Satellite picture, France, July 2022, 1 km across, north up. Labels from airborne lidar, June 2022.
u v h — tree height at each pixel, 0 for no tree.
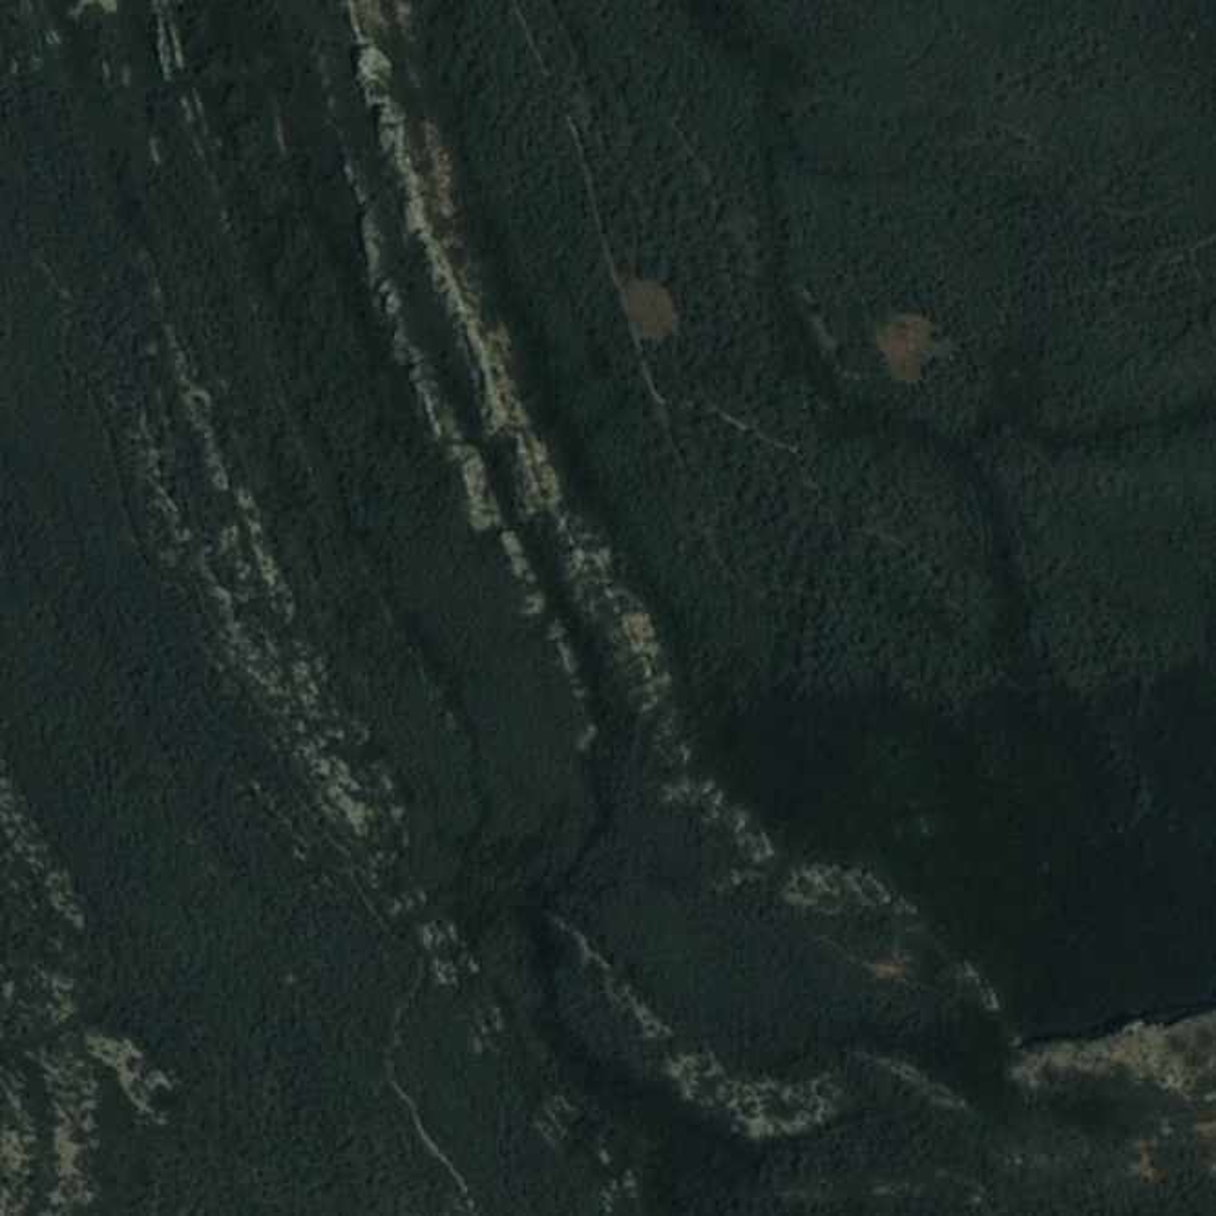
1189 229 11
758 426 7
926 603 11
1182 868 8
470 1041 10
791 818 9
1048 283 13
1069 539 10
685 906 11
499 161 12
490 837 13
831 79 9
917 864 8
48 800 11
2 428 12
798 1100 0
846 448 16
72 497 9
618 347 11
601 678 10
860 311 14
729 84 11
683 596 12
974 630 8
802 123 10
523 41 9
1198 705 7
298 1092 9
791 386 8
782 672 13
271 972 9
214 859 12
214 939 8
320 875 7
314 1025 12
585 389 11
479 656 12
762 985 11
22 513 9
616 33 10
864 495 10
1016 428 7
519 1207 8
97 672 11
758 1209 9
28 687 12
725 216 15
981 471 7
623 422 11
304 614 11
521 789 11
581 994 13
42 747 12
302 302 13
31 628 12
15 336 9
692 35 9
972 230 9
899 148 9
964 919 8
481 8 16
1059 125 8
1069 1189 8
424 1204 9
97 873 11
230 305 14
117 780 16
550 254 10
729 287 11
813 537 16
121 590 8
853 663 17
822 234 9
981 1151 7
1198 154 7
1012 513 8
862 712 9
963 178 11
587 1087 9
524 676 8
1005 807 8
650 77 12
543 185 12
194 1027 8
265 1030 12
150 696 12
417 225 0
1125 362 9
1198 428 10
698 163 13
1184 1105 0
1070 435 8
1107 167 8
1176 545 13
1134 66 7
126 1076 0
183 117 12
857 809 7
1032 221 9
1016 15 9
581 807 12
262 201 17
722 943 7
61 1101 0
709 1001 12
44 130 8
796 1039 10
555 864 15
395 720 10
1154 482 6
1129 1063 0
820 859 6
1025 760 7
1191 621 11
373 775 8
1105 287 11
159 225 10
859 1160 6
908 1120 7
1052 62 6
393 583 14
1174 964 9
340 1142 11
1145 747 6
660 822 11
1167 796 8
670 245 8
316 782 7
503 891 14
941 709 7
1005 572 5
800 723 8
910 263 10
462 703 13
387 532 12
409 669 7
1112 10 7
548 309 10
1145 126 9
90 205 8
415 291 12
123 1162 7
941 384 13
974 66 6
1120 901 9
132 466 12
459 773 12
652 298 0
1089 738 8
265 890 10
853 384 12
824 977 7
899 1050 10
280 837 7
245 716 13
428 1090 8
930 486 8
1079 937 7
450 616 12
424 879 14
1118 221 11
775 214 11
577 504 12
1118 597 9
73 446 12
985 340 8
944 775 9
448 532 11
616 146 17
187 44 15
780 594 15
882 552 13
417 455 9
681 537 10
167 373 7
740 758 7
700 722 8
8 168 10
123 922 8
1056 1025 11
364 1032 7
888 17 8
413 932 6
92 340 10
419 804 16
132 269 9
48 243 8
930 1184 0
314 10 0
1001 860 8
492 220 9
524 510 8
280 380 13
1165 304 14
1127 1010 7
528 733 8
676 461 16
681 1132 7
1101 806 11
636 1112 10
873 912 8
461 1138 8
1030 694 7
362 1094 9
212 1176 9
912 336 0
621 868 11
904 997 9
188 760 12
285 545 16
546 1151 11
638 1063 14
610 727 10
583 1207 10
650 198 10
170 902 9
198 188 11
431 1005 12
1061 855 9
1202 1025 0
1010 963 8
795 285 13
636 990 6
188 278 13
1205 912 6
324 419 17
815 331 12
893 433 6
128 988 12
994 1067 6
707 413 14
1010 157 7
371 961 7
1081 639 9
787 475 11
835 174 8
